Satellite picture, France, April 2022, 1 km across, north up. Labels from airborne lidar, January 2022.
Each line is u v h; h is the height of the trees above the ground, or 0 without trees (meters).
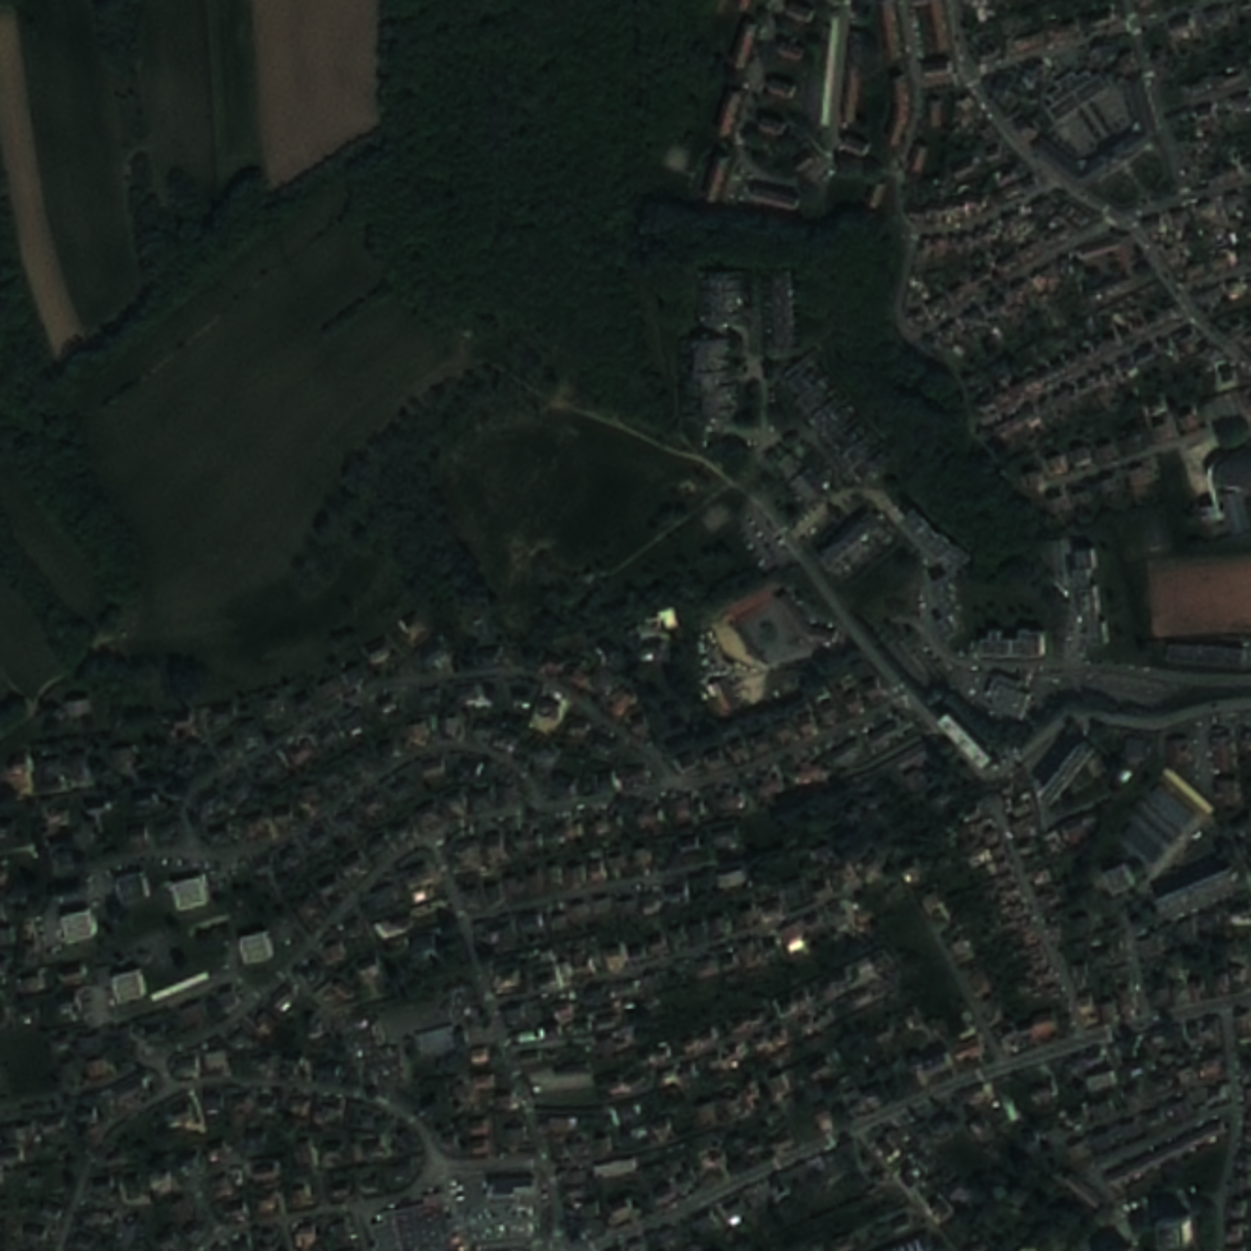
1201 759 0
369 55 0
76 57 0
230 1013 0
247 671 0
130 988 0
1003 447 19
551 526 0
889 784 9
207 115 0
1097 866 6
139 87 0
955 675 0
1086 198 0
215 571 0
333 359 0
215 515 0
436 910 0
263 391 0
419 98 18
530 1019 0
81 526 17
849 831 19
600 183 19
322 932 0
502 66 24
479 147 20
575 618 11
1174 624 0
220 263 11
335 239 0
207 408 0
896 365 22
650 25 19
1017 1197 17
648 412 16
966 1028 0
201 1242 0
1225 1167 0
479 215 19
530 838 0
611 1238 0
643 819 0
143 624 0
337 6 0
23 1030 0
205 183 0
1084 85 0
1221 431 12
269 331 0
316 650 0
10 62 0
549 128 19
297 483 0
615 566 0
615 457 0
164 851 0
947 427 20
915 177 15
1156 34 0
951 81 0
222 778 0
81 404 0
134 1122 0
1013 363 16
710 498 0
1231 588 0
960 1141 0
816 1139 0
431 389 0
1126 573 0
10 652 0
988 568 18
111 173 0
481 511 0
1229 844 15
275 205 11
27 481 13
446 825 0
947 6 0
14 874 0
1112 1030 0
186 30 0
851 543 0
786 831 7
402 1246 0
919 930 0
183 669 22
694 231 21
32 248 0
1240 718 0
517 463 0
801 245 19
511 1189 0
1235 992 0
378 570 0
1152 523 0
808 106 0
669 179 0
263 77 0
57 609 9
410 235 18
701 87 20
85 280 0
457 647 9
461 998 0
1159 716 0
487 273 19
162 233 12
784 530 0
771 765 0
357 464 17
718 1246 0
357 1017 0
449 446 23
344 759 6
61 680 0
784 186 0
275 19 0
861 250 19
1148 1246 0
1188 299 0
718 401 0
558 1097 0
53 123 0
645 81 10
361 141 6
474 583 19
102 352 14
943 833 8
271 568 0
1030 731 13
